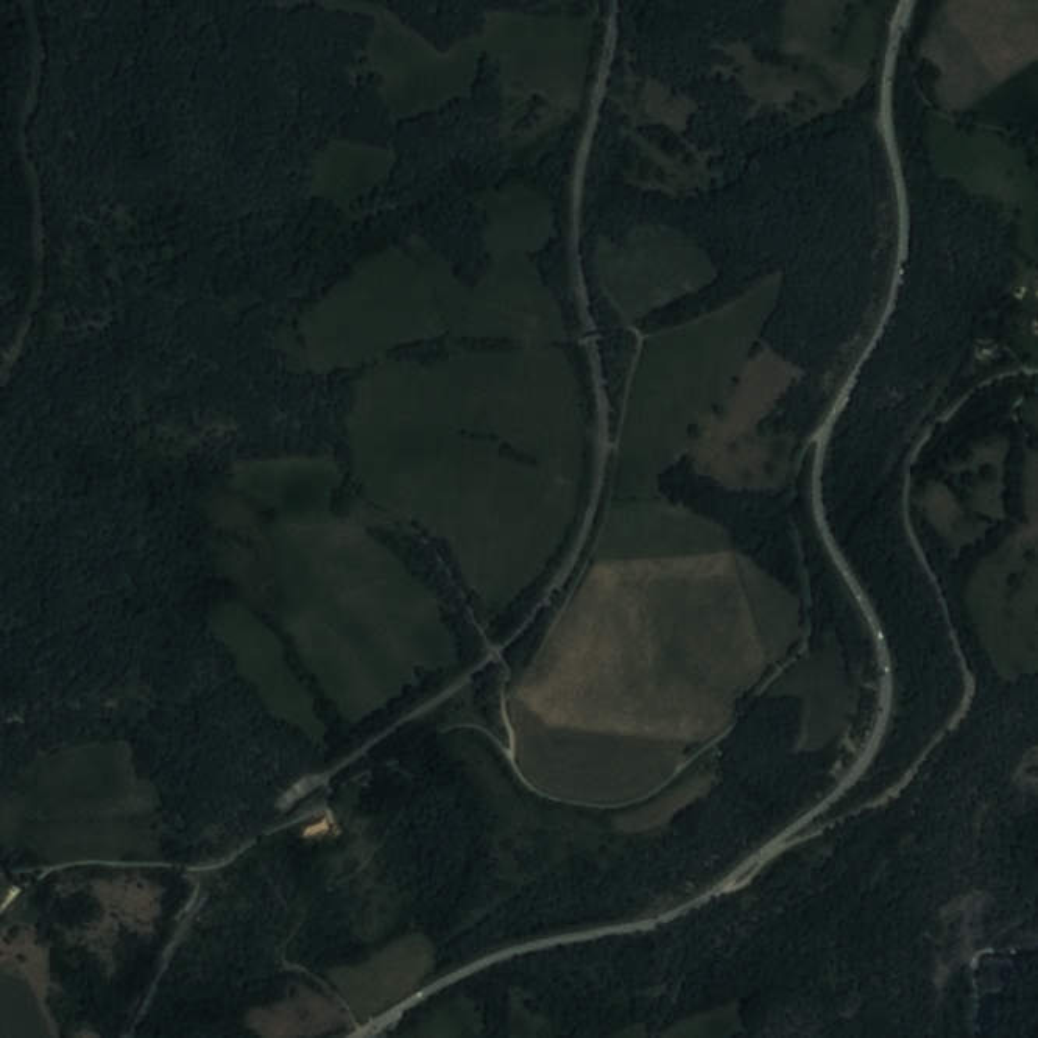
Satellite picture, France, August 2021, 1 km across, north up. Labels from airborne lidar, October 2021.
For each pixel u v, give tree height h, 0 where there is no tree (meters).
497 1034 15
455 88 0
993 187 0
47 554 13
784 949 14
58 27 14
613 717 0
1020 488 14
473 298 0
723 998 17
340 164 0
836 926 10
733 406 0
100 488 15
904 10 0
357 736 11
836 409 0
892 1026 12
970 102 0
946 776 11
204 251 13
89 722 11
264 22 16
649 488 0
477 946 8
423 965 0
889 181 9
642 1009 10
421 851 13
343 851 7
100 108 13
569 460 0
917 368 10
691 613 0
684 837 8
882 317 0
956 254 10
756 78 0
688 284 0
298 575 0
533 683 0
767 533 14
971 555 16
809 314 9
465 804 13
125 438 9
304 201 11
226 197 10
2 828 0
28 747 10
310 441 7
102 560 9
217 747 12
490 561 0
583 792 0
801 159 12
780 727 9
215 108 11
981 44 0
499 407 0
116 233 8
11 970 0
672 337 0
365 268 0
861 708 6
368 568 0
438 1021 0
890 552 11
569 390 0
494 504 0
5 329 15
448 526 0
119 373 10
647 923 0
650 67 8
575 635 0
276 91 13
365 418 0
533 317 0
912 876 9
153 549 7
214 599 13
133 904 0
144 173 10
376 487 0
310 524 0
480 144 9
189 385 10
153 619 9
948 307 10
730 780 10
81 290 8
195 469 17
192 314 10
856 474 15
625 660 0
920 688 8
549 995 7
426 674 10
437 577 8
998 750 10
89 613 11
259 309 11
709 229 12
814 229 9
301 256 7
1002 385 12
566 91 0
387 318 0
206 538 7
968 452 16
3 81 19
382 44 0
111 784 0
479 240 13
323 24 12
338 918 9
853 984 10
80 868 9
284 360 8
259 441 9
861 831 13
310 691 7
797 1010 8
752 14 14
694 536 0
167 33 15
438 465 0
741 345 0
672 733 0
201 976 7
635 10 12
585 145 0
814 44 0
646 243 0
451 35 14
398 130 11
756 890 8
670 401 0
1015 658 0
